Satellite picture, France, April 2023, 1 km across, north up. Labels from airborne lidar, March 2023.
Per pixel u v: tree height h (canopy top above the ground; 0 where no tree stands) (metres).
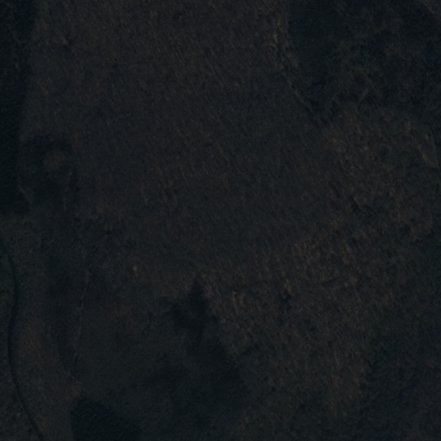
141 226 23
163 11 14
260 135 23
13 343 24
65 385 15
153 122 22
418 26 15
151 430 14
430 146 20
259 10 17
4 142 25
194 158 25
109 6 20
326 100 16
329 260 25
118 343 17
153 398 16
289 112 20
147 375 17
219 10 15
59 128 21
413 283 25
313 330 25
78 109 19
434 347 13
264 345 25
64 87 18
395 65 15
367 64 16
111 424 27
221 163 24
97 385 14
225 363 18
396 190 24
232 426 17
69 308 15
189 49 18
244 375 19
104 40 18
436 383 17
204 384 18
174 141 25
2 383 18
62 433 18
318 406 25
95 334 13
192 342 16
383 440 15
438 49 17
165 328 13
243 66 18
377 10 17
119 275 17
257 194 22
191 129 24
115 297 15
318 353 26
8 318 15
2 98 20
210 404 16
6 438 17
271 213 21
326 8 16
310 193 24
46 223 18
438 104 11
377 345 22
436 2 17
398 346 21
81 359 13
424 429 15
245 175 23
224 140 24
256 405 20
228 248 24
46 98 25
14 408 18
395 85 16
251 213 24
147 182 25
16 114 25
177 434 16
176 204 25
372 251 27
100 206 14
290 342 27
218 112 21
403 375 16
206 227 25
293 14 18
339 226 25
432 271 27
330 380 28
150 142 22
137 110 19
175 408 18
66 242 17
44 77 21
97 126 24
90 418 26
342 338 22
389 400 15
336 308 25
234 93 14
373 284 21
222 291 23
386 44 16
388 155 20
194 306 15
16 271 23
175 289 21
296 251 21
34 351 17
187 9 17
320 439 24
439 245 26
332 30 14
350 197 22
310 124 22
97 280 15
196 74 15
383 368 22
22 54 21
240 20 20
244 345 24
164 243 25
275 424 26
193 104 20
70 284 16
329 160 25
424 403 17
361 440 17
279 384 26
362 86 19
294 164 25
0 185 26
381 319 19
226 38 20
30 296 15
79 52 14
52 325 15
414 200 24
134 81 22
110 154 26
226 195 26
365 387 26
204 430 13
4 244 25
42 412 18
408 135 24
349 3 15
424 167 19
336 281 26
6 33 20
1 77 22
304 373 30
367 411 22
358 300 26
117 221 15
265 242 23
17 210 26
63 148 18
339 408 26
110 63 23
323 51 16
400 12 14
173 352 14
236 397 15
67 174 17
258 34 23
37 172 18
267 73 21
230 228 25
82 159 23
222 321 25
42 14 17
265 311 25
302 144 26
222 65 18
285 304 21
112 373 15
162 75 17
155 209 25
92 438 23
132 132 28
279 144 24
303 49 19
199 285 13
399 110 21
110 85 16
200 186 25
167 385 18
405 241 24
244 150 24
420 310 23
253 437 18
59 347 15
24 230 17
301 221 25
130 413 15
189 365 15
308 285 24
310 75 15
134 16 17
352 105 18
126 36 17
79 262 14
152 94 18
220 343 17
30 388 15
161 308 19
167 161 23
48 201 17
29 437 16
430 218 26
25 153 17
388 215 24
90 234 16
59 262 17
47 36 14
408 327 23
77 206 16
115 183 14
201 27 15
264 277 20
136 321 14
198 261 22
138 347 14
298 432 22
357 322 26
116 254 15
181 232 24
